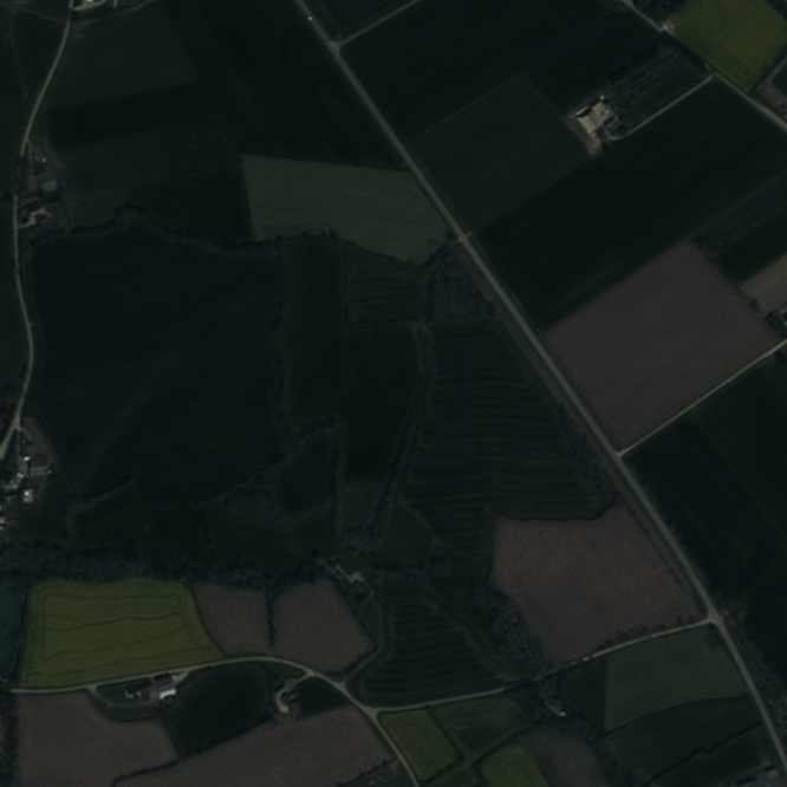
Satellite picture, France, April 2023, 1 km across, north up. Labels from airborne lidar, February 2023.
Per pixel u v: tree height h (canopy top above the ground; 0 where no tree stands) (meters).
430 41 0
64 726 0
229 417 0
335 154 0
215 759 0
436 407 0
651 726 0
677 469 0
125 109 0
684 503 0
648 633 13
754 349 0
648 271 0
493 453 0
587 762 0
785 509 0
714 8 0
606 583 0
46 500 0
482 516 0
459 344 0
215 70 0
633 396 0
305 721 0
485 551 0
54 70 0
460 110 0
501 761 0
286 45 0
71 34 0
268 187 0
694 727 0
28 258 0
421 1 0
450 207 0
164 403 0
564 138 0
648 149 0
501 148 0
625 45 0
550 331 0
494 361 0
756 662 8
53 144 0
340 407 0
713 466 0
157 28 0
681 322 0
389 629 0
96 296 0
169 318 0
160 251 0
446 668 0
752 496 0
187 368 0
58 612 0
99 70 0
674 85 0
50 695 0
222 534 0
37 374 0
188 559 0
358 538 15
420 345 0
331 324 0
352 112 0
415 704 0
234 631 0
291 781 0
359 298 0
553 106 0
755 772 0
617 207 0
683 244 0
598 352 0
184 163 0
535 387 0
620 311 0
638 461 0
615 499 12
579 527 0
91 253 0
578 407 0
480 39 0
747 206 0
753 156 0
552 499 0
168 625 0
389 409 0
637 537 0
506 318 0
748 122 0
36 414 0
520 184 0
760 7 0
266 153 0
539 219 0
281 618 0
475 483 0
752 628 0
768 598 0
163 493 0
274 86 0
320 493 0
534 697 20
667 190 0
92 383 0
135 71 0
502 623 17
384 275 0
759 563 0
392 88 0
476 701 0
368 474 0
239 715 0
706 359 0
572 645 0
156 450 0
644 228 0
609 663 0
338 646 0
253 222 0
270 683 8
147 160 0
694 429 0
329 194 0
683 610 0
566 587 0
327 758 0
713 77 14
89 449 0
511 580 0
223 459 0
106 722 0
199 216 0
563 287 0
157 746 0
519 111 0
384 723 0
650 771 0
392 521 0
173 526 0
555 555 0
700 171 0
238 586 8
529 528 0
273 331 14
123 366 0
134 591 0
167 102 0
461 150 0
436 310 16
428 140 0
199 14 0
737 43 0
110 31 0
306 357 0
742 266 0
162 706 7
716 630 12
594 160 0
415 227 0
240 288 0
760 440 0
